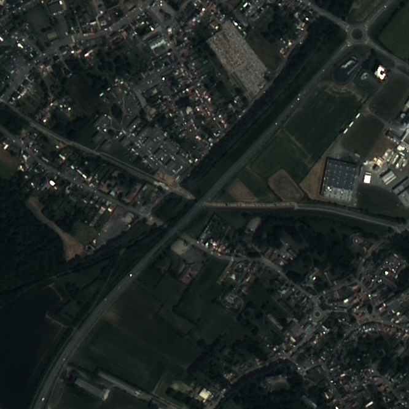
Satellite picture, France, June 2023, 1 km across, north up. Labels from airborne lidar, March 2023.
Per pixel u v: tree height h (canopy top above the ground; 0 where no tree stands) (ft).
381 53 0
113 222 0
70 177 0
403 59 0
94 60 0
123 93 0
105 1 37
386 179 0
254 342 25
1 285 19
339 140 0
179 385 0
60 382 0
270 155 0
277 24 54
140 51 0
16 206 52
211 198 0
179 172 0
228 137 29
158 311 0
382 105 0
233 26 0
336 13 45
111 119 0
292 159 0
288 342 0
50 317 0
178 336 0
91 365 0
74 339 0
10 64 0
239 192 0
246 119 23
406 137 0
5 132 0
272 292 28
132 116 0
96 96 0
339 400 0
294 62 49
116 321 0
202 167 28
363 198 0
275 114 0
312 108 0
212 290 0
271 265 0
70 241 0
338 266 27
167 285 0
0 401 0
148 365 0
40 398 0
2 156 0
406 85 0
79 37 0
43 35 0
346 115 0
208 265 0
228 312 0
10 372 0
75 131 44
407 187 0
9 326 0
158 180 0
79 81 0
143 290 0
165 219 0
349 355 32
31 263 33
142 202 0
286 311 0
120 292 0
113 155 0
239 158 0
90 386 0
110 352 0
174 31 0
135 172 0
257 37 0
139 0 0
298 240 80
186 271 0
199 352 0
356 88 0
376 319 0
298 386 45
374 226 0
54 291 0
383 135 0
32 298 0
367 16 0
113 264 27
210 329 0
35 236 53
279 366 44
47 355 0
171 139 40
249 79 0
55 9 0
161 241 0
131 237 0
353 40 0
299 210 0
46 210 25
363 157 0
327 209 0
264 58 0
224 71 0
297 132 0
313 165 0
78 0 0
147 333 0
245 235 0
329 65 0
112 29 0
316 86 0
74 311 0
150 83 0
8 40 0
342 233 0
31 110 0
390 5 0
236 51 0
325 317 0
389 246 0
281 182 0
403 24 0
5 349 0
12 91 0
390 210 0
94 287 0
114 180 38
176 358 0
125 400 0
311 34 46
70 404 0
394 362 0
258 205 0
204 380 0
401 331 0
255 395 69
